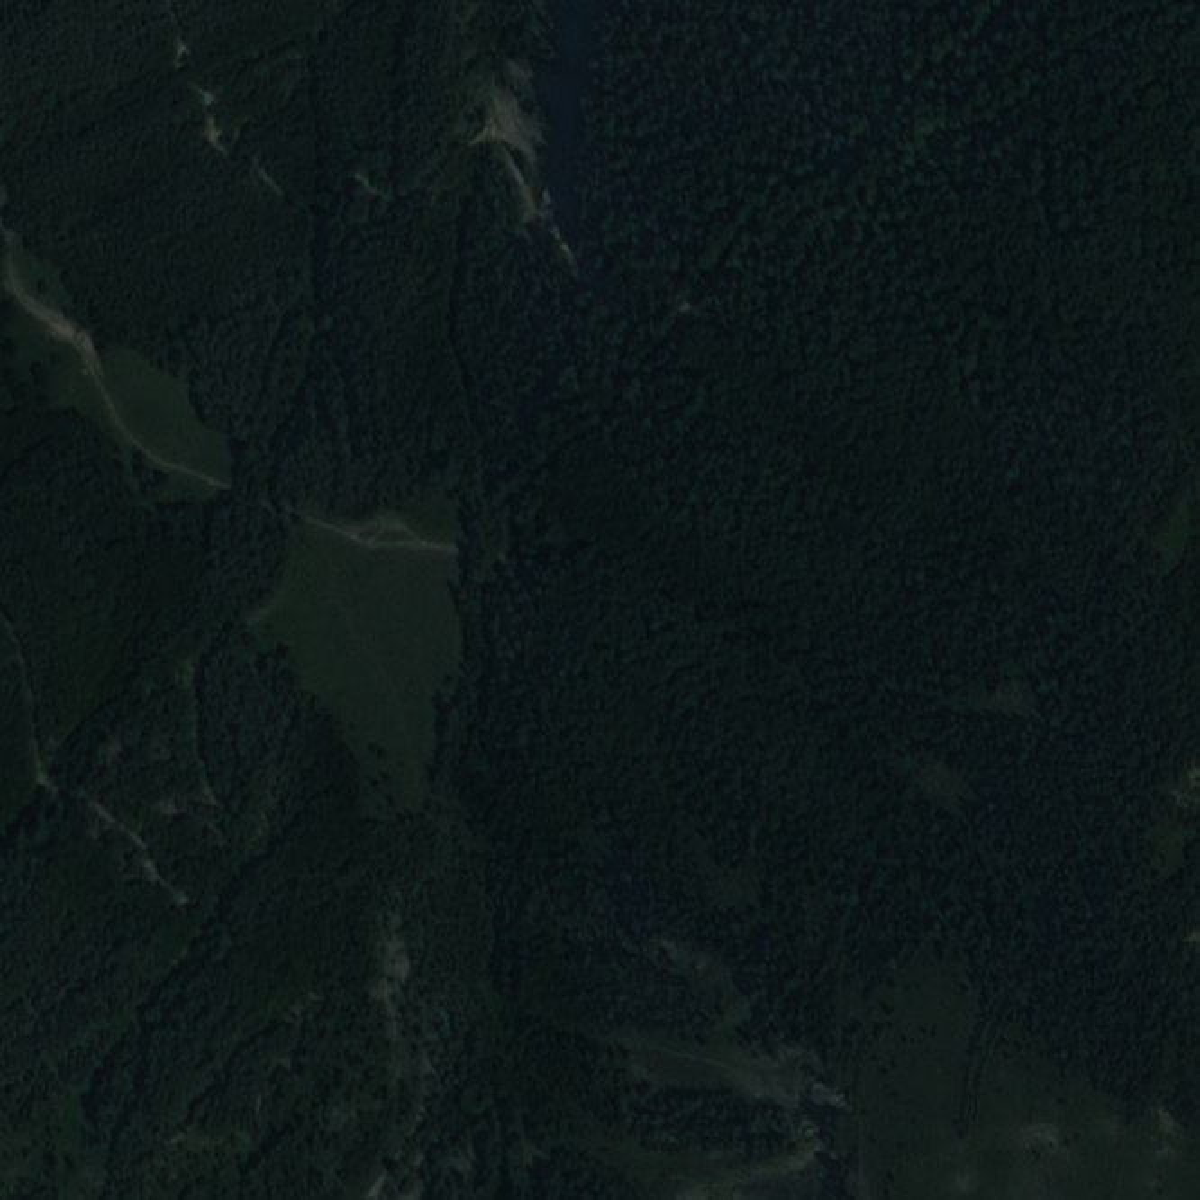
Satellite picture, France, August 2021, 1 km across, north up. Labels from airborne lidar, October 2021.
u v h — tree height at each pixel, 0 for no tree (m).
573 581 20
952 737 14
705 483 17
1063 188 22
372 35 15
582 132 11
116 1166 8
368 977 11
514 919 11
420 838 6
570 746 28
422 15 26
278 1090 23
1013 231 29
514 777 20
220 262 20
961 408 22
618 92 15
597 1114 6
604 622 26
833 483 17
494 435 19
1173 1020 7
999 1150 0
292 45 11
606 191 17
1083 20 11
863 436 24
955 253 24
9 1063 14
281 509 16
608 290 15
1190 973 9
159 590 20
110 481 22
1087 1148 0
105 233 14
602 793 17
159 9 22
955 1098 0
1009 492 9
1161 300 22
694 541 27
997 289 24
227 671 32
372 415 21
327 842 23
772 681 15
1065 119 17
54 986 14
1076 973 11
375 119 18
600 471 22
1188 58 21
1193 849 10
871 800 9
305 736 16
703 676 23
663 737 12
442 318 17
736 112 17
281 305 21
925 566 9
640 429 21
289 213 16
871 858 7
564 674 20
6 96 23
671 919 13
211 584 22
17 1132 8
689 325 6
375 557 0
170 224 13
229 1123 25
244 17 20
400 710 0
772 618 23
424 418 23
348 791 10
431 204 18
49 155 11
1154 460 16
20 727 16
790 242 20
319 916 24
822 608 21
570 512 18
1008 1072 0
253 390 33
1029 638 9
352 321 10
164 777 21
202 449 0
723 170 24
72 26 24
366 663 0
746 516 22
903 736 15
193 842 24
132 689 21
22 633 22
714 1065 0
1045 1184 0
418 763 0
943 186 22
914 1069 0
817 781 11
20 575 24
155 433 0
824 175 7
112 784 23
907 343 27
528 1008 22
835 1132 10
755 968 14
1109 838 7
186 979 17
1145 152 17
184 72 12
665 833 14
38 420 16
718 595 17
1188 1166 0
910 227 24
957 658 9
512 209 7
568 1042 12
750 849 17
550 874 22
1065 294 24
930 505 16
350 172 14
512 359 16
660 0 19
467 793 11
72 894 19
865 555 17
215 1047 26
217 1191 11
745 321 27
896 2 27
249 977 23
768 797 18
